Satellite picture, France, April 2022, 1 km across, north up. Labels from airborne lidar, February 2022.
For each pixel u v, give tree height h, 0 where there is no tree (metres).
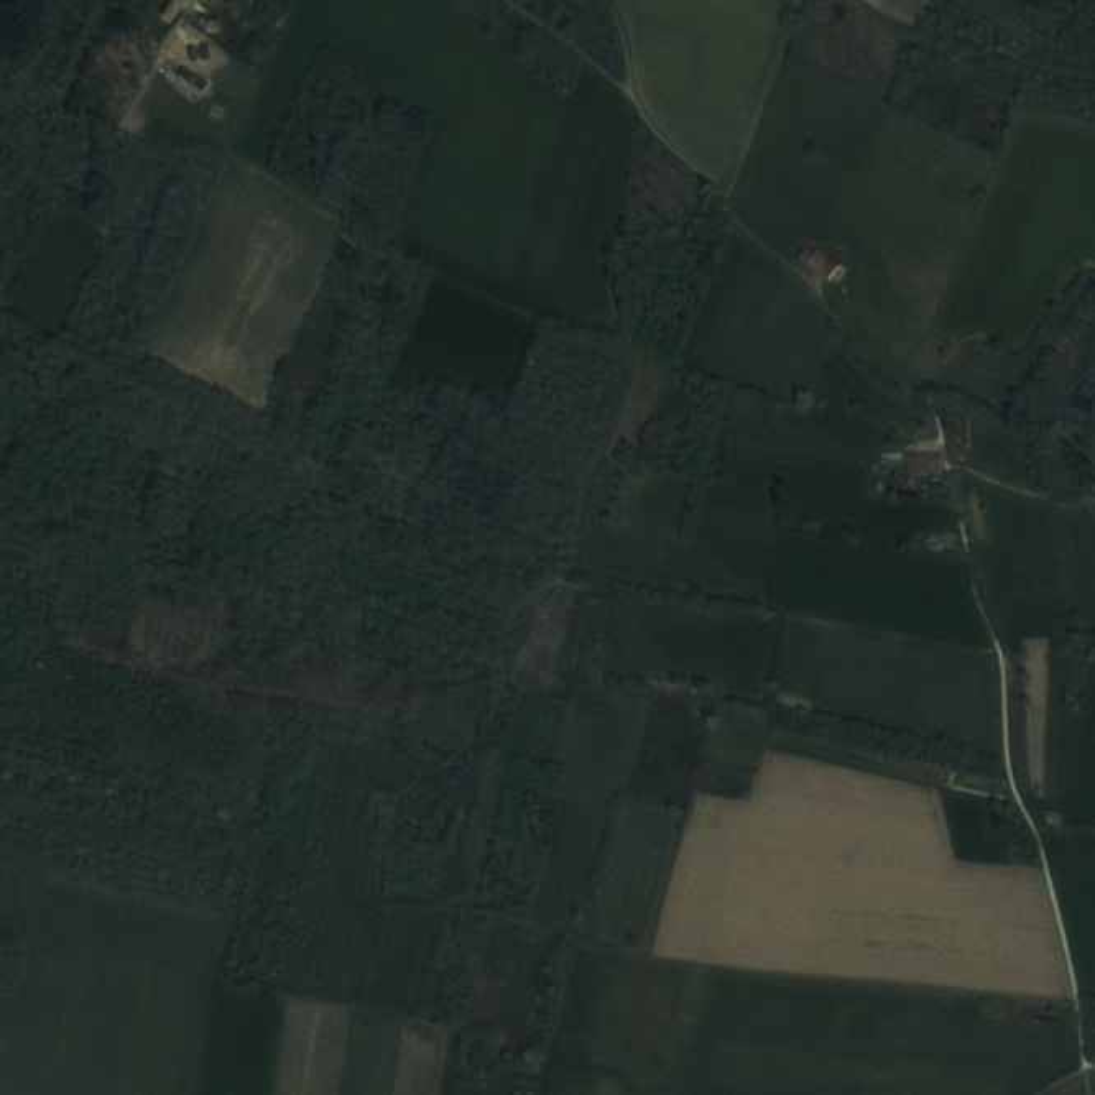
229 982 8
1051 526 0
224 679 18
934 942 0
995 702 0
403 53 0
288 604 27
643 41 0
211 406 25
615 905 0
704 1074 0
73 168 24
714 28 0
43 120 27
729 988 0
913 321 0
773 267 0
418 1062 0
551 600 0
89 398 19
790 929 0
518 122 0
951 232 0
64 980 0
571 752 0
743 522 0
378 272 23
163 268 23
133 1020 0
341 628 26
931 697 0
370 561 18
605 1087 0
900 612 0
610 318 0
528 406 21
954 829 0
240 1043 0
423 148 14
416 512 22
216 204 0
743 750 0
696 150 0
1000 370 0
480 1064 18
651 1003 0
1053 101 17
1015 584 0
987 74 20
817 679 0
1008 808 13
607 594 0
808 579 0
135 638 0
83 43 25
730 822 0
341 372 24
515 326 0
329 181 22
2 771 16
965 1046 0
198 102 0
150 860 7
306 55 0
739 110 0
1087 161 0
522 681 0
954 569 0
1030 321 0
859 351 20
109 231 16
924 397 9
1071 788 0
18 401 20
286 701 13
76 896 0
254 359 0
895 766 0
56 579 10
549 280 0
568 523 20
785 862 0
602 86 0
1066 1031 0
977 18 21
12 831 9
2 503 20
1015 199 0
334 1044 0
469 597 22
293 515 15
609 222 0
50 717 7
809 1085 0
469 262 0
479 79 0
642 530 0
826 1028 0
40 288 0
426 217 0
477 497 16
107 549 24
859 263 0
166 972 0
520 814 12
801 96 0
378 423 8
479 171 0
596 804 0
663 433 18
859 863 0
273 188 0
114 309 6
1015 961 0
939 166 0
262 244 0
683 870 0
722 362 0
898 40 0
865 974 0
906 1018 0
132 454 23
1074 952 0
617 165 0
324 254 0
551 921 0
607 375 24
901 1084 0
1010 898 0
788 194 0
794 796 0
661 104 0
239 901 10
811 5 0
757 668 0
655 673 0
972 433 0
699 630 0
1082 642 10
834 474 0
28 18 24
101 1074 0
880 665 0
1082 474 21
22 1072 0
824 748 0
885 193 0
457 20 0
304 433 14
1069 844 0
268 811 17
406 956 0
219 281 0
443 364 0
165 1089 0
